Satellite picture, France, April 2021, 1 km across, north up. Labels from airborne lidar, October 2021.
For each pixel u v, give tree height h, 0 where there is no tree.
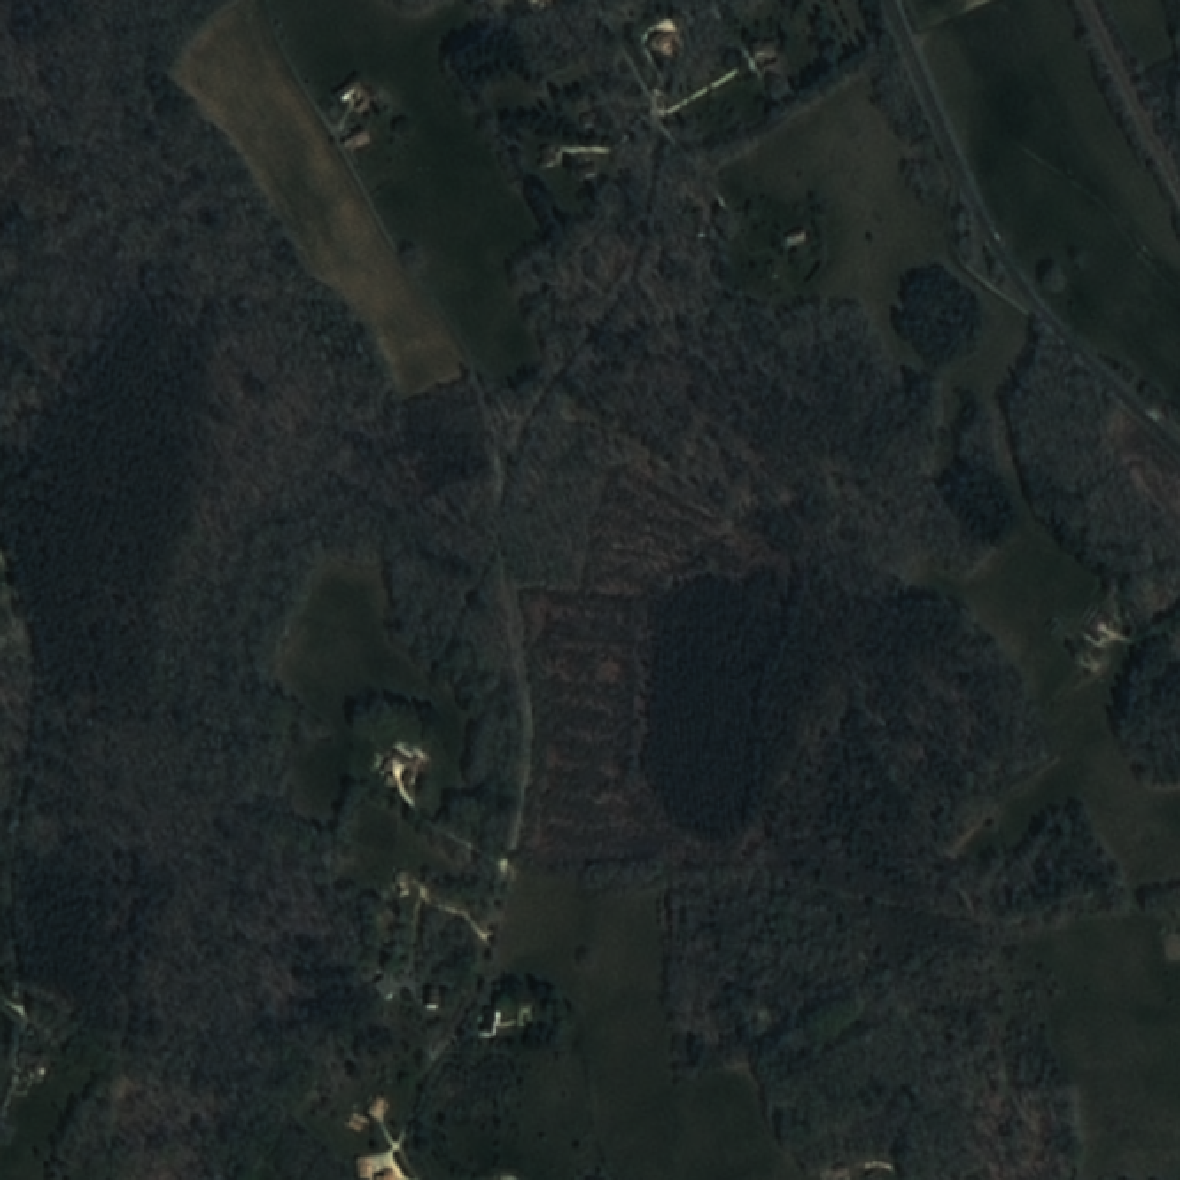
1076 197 0
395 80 0
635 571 9
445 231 0
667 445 19
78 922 0
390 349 0
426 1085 9
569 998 0
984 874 12
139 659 0
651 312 17
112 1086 24
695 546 8
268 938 17
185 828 24
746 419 21
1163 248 0
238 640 21
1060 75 0
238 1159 25
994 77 0
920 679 18
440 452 8
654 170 15
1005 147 0
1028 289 0
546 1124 0
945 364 18
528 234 0
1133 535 24
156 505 0
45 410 12
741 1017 15
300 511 18
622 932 0
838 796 11
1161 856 0
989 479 27
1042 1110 16
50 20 27
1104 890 14
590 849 9
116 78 21
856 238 0
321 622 0
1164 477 0
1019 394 18
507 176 15
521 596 7
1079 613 0
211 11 22
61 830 16
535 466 20
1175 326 0
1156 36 0
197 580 22
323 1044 21
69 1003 9
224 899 18
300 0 0
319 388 22
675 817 11
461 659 28
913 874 9
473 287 0
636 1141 0
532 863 10
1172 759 26
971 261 20
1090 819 19
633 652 8
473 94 29
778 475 24
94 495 0
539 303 10
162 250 17
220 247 20
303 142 0
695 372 25
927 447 21
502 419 19
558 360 14
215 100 0
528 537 23
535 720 7
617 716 11
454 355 0
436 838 16
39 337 14
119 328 20
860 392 26
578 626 8
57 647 0
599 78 17
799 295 0
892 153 0
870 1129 20
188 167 18
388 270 0
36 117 15
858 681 20
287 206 0
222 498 20
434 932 15
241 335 21
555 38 20
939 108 0
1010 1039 7
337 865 9
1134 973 0
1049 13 0
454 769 0
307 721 18
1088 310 0
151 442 0
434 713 13
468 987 19
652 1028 0
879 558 23
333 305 19
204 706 22
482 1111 7
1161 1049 0
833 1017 26
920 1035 14
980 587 0
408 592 23
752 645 12
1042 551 0
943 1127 19
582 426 9
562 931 0
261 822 24
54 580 0
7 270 22
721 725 12
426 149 0
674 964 14
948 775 27
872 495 28
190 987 20
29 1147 0
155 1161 18
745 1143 0
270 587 19
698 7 26
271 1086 16
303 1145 15
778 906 14
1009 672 18
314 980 8
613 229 8
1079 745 0
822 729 11
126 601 0
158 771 24
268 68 0
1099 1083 0
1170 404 11
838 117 0
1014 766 21
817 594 20
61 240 15
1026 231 0
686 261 20
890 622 23
